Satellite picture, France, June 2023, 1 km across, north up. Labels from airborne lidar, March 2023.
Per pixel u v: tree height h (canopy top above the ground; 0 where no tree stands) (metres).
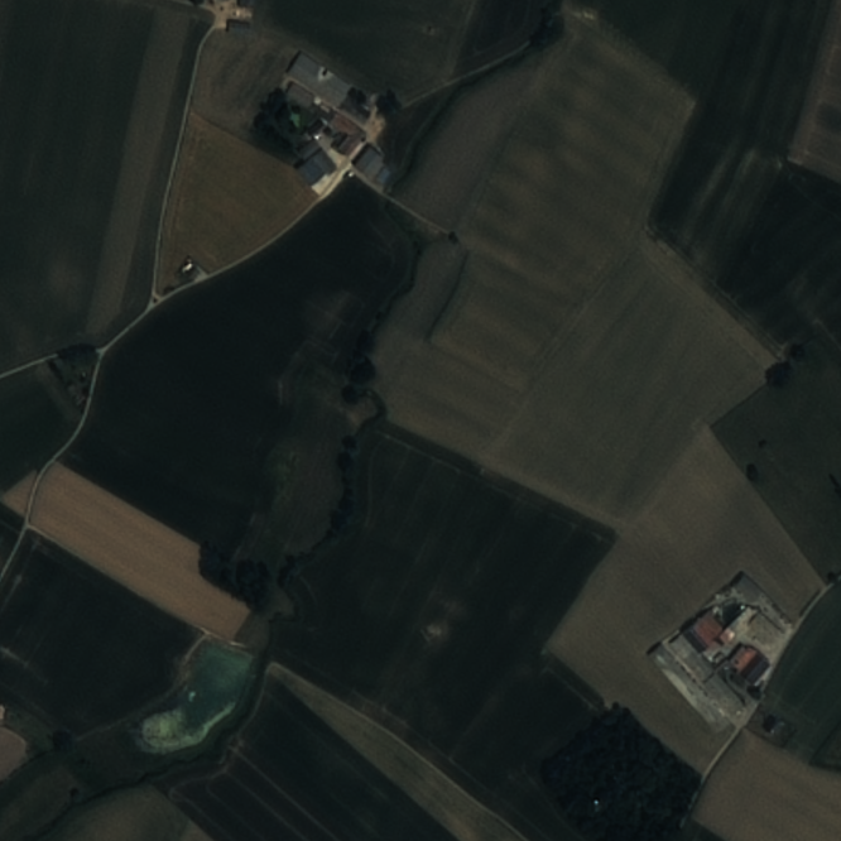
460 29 0
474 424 0
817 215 0
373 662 0
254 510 0
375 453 0
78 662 0
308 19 0
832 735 0
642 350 0
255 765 0
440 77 0
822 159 0
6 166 0
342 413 0
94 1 0
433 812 0
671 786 22
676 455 0
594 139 0
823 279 0
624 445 0
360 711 0
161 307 0
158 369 0
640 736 27
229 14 0
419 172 0
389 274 0
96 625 0
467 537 0
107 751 0
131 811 0
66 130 0
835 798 0
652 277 0
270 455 0
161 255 0
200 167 0
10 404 0
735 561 0
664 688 0
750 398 0
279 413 0
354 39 0
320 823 0
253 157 0
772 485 0
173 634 0
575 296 0
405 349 0
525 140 0
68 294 0
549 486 0
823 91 0
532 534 0
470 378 0
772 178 0
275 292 0
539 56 0
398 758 0
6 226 0
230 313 0
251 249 0
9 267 0
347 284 0
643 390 0
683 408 0
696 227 0
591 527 0
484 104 0
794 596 0
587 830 25
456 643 0
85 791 0
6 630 0
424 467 0
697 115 0
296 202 0
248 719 0
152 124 0
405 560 0
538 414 0
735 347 0
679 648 0
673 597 0
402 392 0
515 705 0
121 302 0
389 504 0
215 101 0
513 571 0
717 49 0
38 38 0
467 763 0
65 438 0
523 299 0
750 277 0
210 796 0
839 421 0
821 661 0
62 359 18
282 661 0
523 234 0
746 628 0
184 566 0
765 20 0
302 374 0
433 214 0
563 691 0
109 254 0
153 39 0
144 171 0
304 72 0
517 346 0
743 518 0
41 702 0
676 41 0
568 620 0
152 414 0
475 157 0
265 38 0
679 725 0
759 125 0
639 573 0
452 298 0
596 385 0
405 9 0
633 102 0
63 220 0
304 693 0
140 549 0
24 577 0
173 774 0
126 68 0
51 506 0
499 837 0
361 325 0
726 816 0
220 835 0
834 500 0
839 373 0
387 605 0
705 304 0
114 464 0
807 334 0
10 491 0
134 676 0
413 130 0
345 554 0
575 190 0
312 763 0
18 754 0
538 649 0
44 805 0
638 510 0
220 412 0
